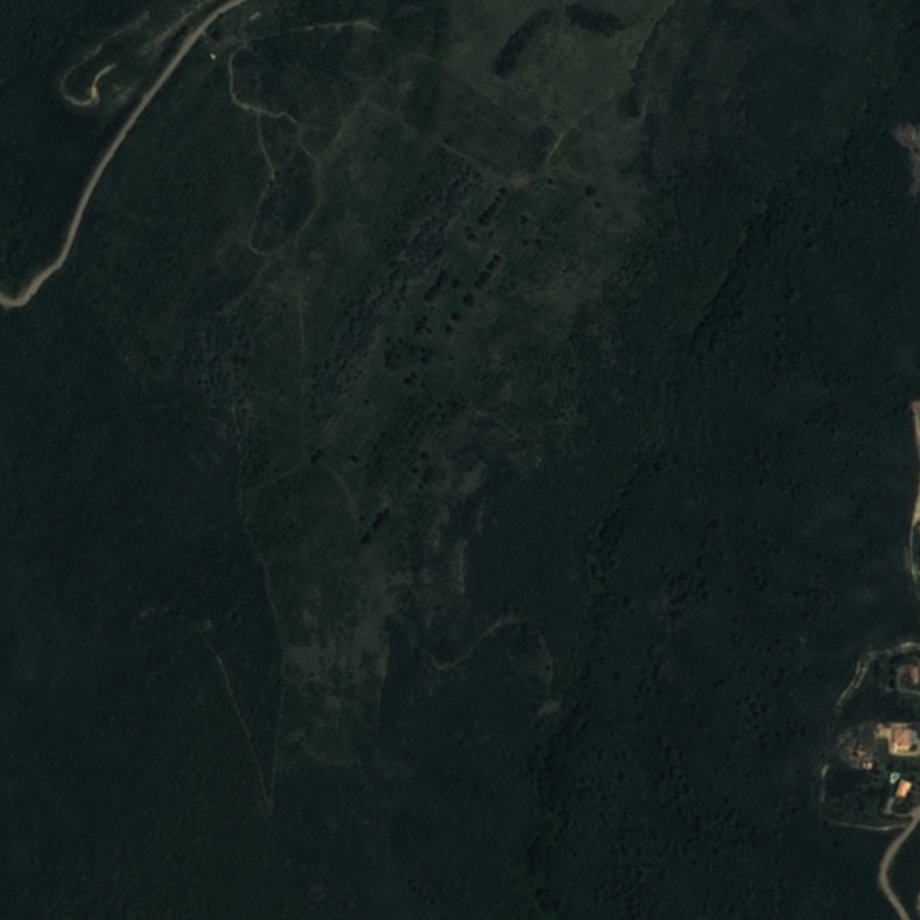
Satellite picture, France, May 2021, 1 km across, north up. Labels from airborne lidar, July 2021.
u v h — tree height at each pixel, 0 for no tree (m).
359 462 16
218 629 6
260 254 0
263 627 6
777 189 15
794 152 12
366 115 0
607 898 9
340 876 6
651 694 15
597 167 0
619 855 13
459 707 7
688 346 18
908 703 6
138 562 6
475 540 6
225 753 11
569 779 8
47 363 6
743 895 10
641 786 6
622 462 7
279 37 6
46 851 6
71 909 7
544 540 6
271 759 5
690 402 6
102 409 6
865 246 6
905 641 0
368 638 0
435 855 5
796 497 10
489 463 6
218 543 7
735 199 7
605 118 0
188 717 9
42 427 8
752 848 8
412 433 7
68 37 6
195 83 0
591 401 7
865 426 7
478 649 6
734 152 8
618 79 0
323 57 7
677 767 11
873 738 0
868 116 16
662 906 11
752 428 5
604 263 0
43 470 7
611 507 9
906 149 7
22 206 11
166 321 0
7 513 6
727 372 7
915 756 0
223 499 7
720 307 19
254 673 6
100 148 6
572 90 0
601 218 0
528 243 10
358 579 0
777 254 7
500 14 0
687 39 0
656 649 13
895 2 9
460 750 5
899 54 8
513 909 7
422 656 10
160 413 6
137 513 6
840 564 9
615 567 12
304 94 0
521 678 6
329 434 0
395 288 7
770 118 6
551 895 9
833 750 0
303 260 0
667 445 14
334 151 0
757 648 11
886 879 0
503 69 7
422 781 6
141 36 0
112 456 7
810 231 16
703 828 14
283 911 10
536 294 0
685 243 7
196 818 6
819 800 0
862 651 0
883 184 9
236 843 5
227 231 0
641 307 6
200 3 0
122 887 6
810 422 10
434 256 8
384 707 6
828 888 7
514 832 7
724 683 12
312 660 0
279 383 5
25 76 6
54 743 6
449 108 0
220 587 7
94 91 0
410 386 15
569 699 7
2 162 7
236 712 6
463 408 6
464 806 6
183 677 6
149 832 8
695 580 14
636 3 0
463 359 0
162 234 6
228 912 5
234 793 7
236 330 8
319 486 0
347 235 0
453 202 7
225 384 9
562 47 0
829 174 8
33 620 6
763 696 8
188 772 5
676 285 7
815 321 9
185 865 11
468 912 6
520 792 6
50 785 6
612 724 10
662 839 12
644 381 11
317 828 6
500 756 5
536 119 0
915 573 0
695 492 6
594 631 10
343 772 6
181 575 7
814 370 11
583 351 9
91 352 5
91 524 6
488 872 6
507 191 11
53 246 6
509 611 13
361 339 6
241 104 0
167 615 9
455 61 0
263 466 8
